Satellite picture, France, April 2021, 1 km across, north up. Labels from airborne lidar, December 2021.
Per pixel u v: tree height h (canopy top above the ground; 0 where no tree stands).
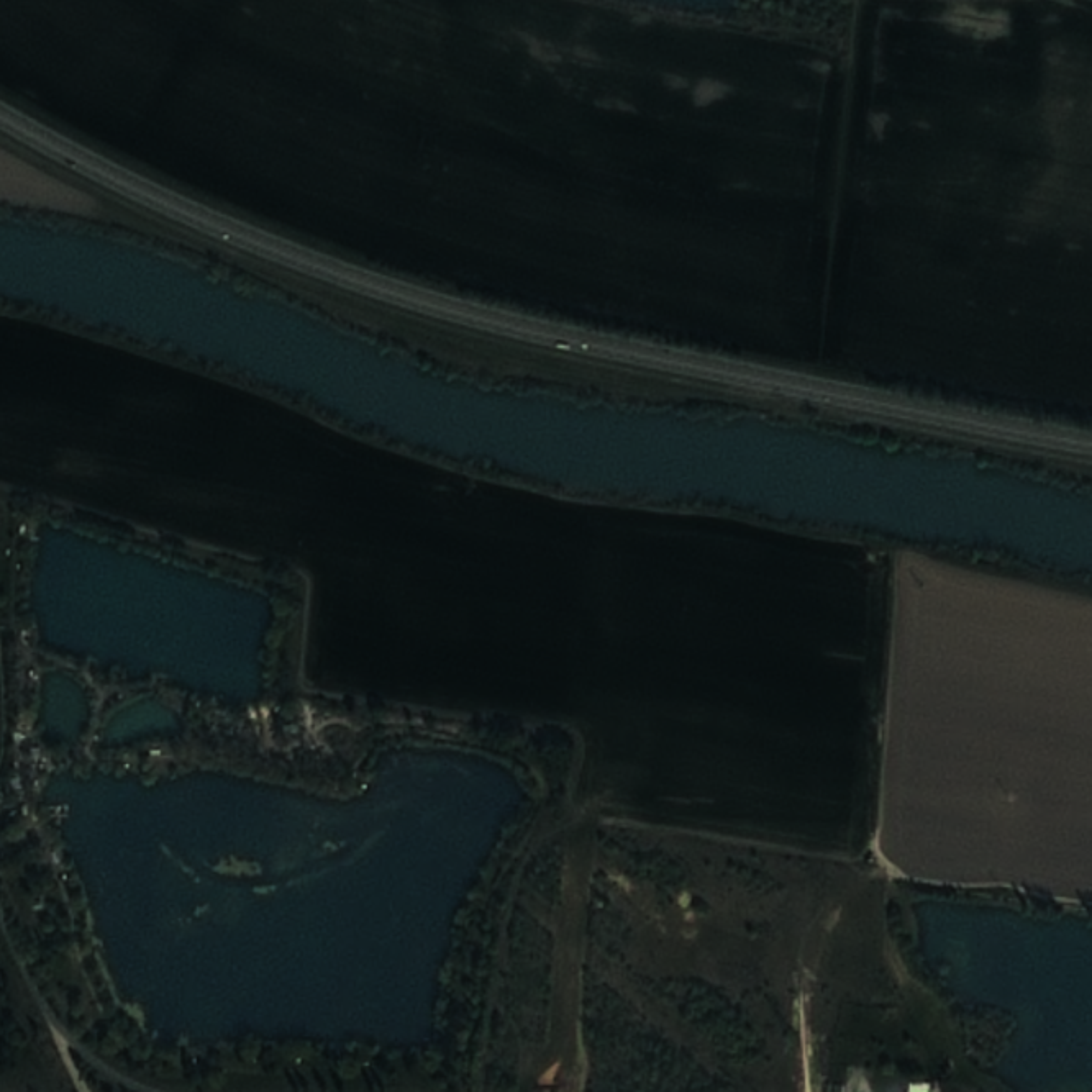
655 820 0
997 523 0
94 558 0
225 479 0
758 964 0
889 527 0
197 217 0
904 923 14
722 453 0
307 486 0
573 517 0
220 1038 0
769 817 0
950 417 0
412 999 0
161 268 0
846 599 0
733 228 0
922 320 0
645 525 0
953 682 0
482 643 0
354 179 0
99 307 0
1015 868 0
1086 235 0
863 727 0
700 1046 0
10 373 0
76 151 0
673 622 0
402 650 0
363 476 0
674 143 0
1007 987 0
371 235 0
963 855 0
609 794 0
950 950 0
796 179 0
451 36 0
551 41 0
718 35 0
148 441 0
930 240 0
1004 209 0
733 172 0
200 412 0
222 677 0
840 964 0
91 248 0
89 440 0
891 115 0
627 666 0
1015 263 0
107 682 16
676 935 0
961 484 0
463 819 0
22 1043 8
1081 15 0
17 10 0
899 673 0
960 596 0
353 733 0
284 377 0
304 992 0
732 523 0
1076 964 0
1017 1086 0
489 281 0
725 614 0
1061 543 0
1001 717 0
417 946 0
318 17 0
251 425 0
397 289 0
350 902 0
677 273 0
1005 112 0
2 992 8
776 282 0
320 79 0
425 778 0
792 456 0
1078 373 0
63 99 0
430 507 0
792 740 0
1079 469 0
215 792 0
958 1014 21
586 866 0
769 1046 0
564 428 0
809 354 0
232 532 0
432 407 0
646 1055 7
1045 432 0
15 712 13
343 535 0
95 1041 13
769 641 0
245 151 0
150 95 0
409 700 0
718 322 0
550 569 0
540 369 0
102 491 0
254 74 0
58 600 0
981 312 0
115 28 0
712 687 0
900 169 0
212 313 0
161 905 0
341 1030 0
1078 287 0
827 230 0
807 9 10
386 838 0
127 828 0
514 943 9
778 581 0
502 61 0
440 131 0
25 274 0
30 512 20
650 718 0
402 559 0
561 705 0
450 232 0
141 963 0
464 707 0
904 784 0
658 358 0
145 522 0
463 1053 15
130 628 0
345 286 0
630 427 0
